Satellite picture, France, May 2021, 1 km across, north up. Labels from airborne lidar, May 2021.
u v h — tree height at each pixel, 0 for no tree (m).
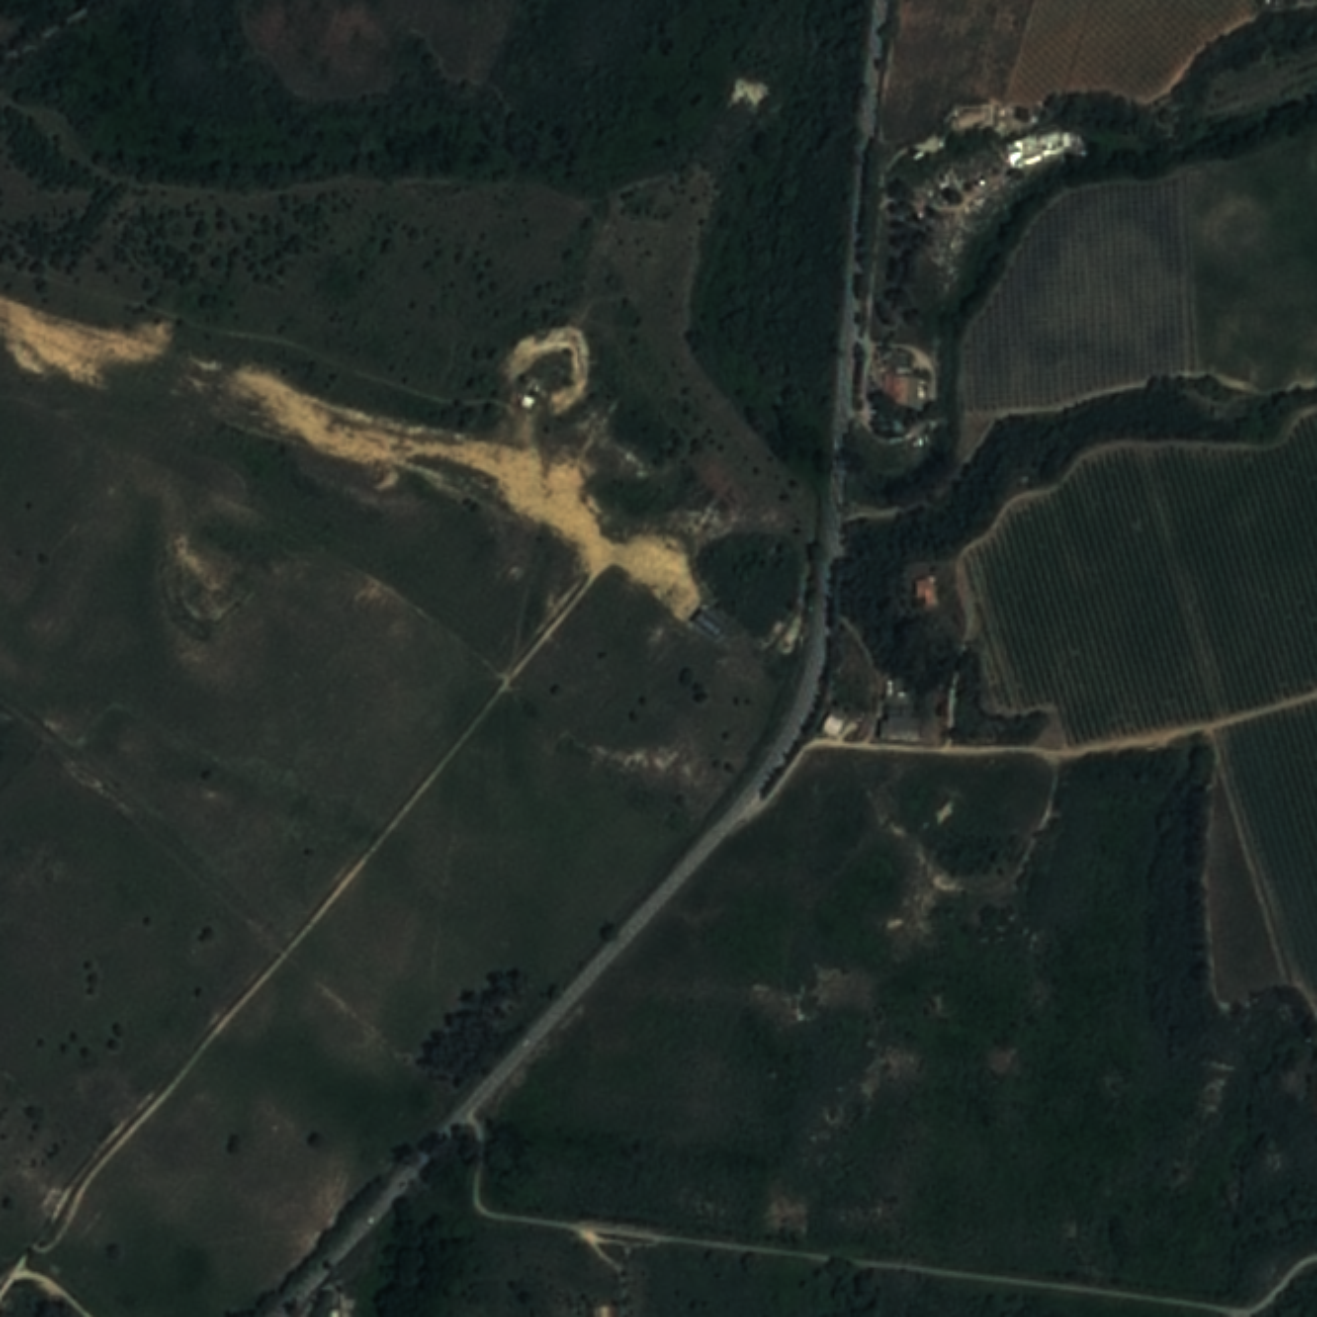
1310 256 0
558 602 0
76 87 14
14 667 0
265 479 0
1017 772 0
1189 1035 6
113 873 0
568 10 5
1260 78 0
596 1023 0
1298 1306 10
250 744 0
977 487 6
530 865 0
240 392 0
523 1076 0
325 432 0
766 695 0
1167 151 9
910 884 0
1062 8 0
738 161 6
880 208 10
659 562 0
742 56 8
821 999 0
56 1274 0
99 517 0
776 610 0
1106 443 7
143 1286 0
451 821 0
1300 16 7
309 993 0
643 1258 0
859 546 6
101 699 0
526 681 0
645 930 0
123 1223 0
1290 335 0
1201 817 21
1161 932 8
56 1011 0
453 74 0
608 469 0
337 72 0
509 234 0
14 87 6
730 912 0
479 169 22
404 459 0
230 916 0
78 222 7
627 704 0
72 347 0
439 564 0
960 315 9
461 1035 16
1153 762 8
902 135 0
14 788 0
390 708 0
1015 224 16
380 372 0
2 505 0
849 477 7
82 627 0
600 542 0
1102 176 16
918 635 23
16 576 0
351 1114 0
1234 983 0
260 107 9
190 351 0
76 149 0
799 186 7
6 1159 0
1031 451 6
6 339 0
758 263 11
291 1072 0
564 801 0
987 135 9
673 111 7
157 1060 0
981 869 7
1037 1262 0
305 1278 10
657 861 0
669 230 0
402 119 9
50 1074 0
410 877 0
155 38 11
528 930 0
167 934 0
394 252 7
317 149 15
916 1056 0
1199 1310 0
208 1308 0
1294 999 23
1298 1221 7
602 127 9
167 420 0
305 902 0
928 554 11
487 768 0
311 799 0
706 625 0
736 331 8
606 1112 0
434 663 0
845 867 0
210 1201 0
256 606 0
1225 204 0
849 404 0
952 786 0
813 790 0
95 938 0
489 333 0
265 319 0
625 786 0
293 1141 0
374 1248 0
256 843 0
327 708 0
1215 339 0
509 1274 0
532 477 0
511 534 0
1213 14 0
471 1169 24
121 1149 0
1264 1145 11
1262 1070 6
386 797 0
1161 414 6
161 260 8
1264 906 0
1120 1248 9
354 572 0
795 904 0
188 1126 0
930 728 0
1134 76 0
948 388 6
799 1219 0
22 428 0
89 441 0
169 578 0
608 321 0
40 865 0
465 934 0
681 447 8
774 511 0
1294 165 0
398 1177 0
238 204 0
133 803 0
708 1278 0
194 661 0
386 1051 0
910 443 0
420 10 0
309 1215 0
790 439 17
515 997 21
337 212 6
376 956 0
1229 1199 7
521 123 10
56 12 9
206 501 0
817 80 7
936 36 0
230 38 14
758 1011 0
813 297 6
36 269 9
